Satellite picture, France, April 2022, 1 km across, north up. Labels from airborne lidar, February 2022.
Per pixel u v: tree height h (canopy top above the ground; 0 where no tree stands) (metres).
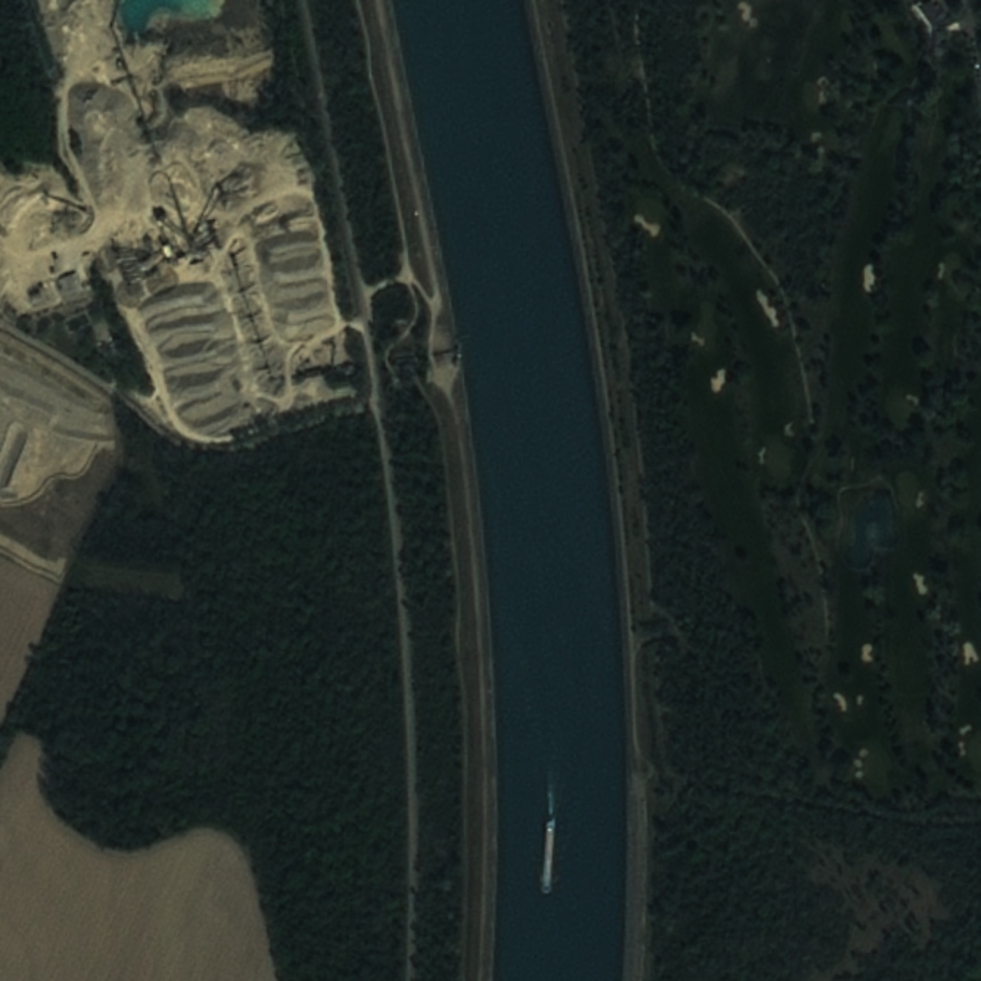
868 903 0
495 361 0
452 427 0
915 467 0
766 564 0
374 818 12
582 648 0
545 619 0
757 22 0
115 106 0
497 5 0
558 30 0
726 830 11
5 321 0
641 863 0
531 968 0
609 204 17
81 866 0
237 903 0
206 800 12
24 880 0
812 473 0
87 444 0
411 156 0
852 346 0
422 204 0
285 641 15
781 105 0
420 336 10
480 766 0
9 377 0
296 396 0
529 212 0
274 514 9
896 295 0
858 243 0
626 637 0
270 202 0
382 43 0
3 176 0
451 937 13
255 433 12
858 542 0
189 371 0
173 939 0
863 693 0
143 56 0
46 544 0
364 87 13
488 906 0
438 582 10
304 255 0
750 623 24
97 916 0
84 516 0
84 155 0
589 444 0
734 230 0
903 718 0
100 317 15
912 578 0
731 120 0
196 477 14
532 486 0
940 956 16
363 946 6
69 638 6
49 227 0
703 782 21
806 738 0
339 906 11
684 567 10
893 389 0
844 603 0
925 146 0
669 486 14
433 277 0
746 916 16
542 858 0
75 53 0
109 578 0
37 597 0
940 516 18
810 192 6
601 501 0
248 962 0
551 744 0
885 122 0
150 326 0
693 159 13
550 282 0
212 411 0
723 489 0
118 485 18
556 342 0
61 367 0
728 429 0
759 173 13
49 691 11
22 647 0
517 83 0
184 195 0
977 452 0
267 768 10
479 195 0
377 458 14
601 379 0
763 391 0
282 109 22
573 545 0
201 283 0
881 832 9
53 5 0
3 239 0
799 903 10
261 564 13
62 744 18
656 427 6
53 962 0
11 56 13
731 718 17
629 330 9
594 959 0
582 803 0
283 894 12
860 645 0
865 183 0
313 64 0
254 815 10
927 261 0
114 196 0
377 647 10
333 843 12
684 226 25
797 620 12
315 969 13
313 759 10
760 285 0
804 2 0
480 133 0
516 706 0
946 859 13
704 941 6
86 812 17
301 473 8
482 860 0
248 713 9
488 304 0
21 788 0
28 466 0
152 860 0
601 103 19
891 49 0
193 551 17
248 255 0
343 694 14
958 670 20
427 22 0
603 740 0
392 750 7
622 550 0
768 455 0
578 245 0
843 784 20
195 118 0
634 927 0
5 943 0
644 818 0
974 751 0
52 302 0
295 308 0
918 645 0
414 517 8
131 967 0
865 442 0
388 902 16
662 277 0
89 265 0
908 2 0
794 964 14
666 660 11
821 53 0
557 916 0
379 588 12
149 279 0
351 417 11
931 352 21
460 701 15
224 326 0
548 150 0
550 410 0
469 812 0
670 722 12
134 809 18
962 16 14
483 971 0
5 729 10
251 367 0
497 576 0
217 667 13
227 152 0
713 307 0
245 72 0
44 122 10
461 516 0
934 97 15
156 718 20
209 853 0
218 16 0
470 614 0
